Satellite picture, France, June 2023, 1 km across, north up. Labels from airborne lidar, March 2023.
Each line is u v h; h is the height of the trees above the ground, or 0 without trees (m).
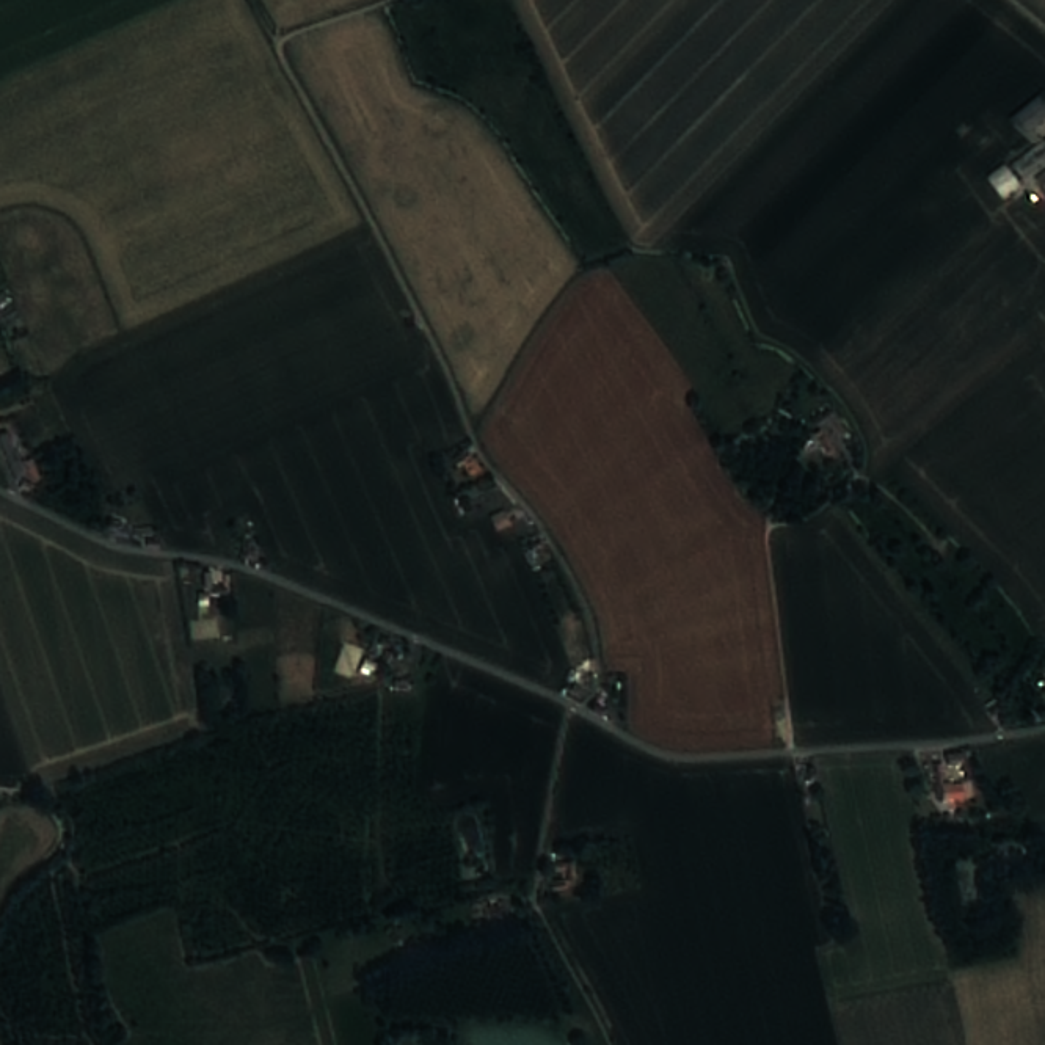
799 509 6
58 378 0
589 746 0
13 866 0
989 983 0
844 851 0
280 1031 0
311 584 0
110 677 0
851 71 0
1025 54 0
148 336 0
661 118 0
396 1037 15
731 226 0
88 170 0
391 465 0
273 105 0
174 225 0
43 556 0
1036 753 0
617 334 0
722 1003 0
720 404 0
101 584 0
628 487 0
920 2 0
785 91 0
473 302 0
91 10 0
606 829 0
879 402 0
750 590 0
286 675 0
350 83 0
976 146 0
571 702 0
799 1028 0
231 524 8
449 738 0
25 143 0
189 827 0
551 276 0
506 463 0
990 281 0
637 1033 0
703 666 0
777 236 0
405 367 0
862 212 0
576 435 0
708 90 0
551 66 0
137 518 0
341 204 0
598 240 0
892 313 0
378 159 0
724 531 0
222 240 0
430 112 0
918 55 0
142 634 0
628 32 0
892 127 0
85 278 0
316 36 0
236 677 12
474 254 0
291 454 0
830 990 0
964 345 0
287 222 0
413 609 0
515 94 0
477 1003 31
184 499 0
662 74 0
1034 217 0
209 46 0
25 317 0
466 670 0
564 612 0
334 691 0
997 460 0
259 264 0
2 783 0
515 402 0
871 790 0
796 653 0
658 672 0
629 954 0
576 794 0
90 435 0
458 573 0
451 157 0
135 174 0
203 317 0
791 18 0
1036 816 0
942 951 0
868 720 0
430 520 0
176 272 0
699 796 0
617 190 0
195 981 0
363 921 7
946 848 19
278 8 0
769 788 0
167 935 0
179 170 0
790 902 0
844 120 0
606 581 0
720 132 0
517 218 0
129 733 0
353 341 0
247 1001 0
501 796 0
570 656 0
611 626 0
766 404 0
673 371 0
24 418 0
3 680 0
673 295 0
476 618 0
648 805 0
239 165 0
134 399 0
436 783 0
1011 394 0
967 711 0
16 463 0
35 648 0
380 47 0
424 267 0
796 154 0
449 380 0
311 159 0
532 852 0
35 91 0
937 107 0
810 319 0
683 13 0
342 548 0
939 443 0
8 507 0
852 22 0
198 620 0
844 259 0
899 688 0
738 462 10
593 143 0
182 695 0
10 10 0
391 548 0
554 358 0
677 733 0
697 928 0
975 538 0
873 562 0
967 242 0
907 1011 0
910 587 13
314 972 0
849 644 0
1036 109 0
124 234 0
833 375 0
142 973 0
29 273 0
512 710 0
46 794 24
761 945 0
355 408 0
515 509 0
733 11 0
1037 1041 0
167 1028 0
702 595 0
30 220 0
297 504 0
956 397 0
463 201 0
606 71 0
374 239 0
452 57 0
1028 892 0
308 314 0
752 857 0
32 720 0
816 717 0
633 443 0
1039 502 0
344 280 0
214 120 0
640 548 0
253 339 0
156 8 0
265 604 0
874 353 0
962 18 0
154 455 0
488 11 0
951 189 0
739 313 0
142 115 0
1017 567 0
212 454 0
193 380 0
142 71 0
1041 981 0
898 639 0
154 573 0
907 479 0
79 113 0
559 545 0
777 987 0
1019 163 0
